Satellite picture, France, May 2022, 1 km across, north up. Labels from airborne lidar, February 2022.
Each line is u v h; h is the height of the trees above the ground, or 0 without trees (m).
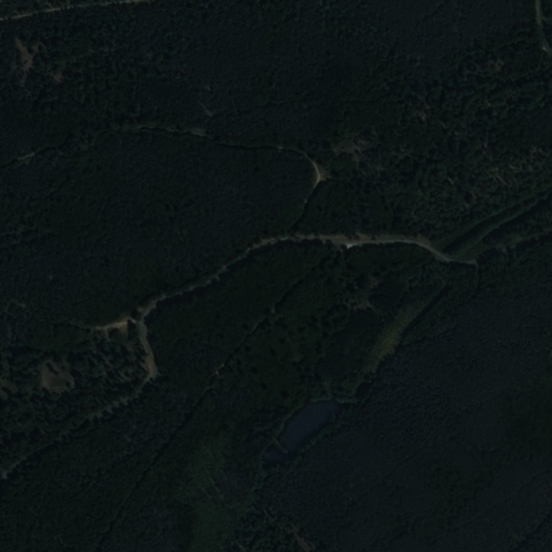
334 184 10
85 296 14
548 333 16
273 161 16
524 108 31
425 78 13
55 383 0
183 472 23
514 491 16
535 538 21
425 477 13
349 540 18
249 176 14
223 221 14
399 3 13
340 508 17
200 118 10
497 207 22
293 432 0
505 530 20
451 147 32
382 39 15
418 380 20
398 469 17
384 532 17
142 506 24
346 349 18
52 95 10
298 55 6
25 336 18
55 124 11
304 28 12
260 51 12
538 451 18
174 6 11
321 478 21
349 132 7
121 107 10
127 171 17
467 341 23
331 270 33
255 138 15
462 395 19
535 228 20
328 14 15
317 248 22
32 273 14
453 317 25
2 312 13
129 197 13
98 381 34
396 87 16
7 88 11
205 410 20
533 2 12
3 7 8
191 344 16
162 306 18
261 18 6
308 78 11
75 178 10
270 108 19
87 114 11
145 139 15
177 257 14
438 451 18
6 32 12
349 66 15
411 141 13
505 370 18
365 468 20
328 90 14
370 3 15
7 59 28
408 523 13
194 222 14
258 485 22
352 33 14
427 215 32
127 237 16
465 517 19
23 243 13
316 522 18
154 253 17
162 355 19
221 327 16
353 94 12
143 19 14
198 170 12
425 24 13
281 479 22
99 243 15
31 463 23
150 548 16
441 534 18
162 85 14
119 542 22
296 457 19
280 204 16
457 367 19
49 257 15
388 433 21
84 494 22
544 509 18
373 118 12
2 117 14
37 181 13
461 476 17
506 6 13
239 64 12
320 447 21
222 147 16
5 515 23
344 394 19
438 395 25
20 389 20
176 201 14
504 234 25
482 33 13
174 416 25
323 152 14
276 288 13
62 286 13
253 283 13
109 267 14
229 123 15
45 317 9
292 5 12
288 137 15
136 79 10
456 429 18
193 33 11
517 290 22
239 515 17
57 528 24
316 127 14
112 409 0
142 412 20
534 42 7
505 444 11
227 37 13
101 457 16
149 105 14
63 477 24
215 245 14
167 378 21
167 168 13
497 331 24
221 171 15
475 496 18
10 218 11
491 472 17
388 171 29
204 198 15
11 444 39
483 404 18
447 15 14
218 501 15
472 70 24
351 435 21
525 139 24
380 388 25
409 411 23
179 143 14
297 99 11
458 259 0
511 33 15
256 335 12
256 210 12
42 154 19
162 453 22
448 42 14
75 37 26
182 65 12
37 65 14
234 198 14
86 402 28
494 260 24
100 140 11
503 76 10
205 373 13
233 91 13
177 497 17
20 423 38
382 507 15
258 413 20
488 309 22
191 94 12
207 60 14
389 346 0
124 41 11
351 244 0
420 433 24
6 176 9
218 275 0
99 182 16
